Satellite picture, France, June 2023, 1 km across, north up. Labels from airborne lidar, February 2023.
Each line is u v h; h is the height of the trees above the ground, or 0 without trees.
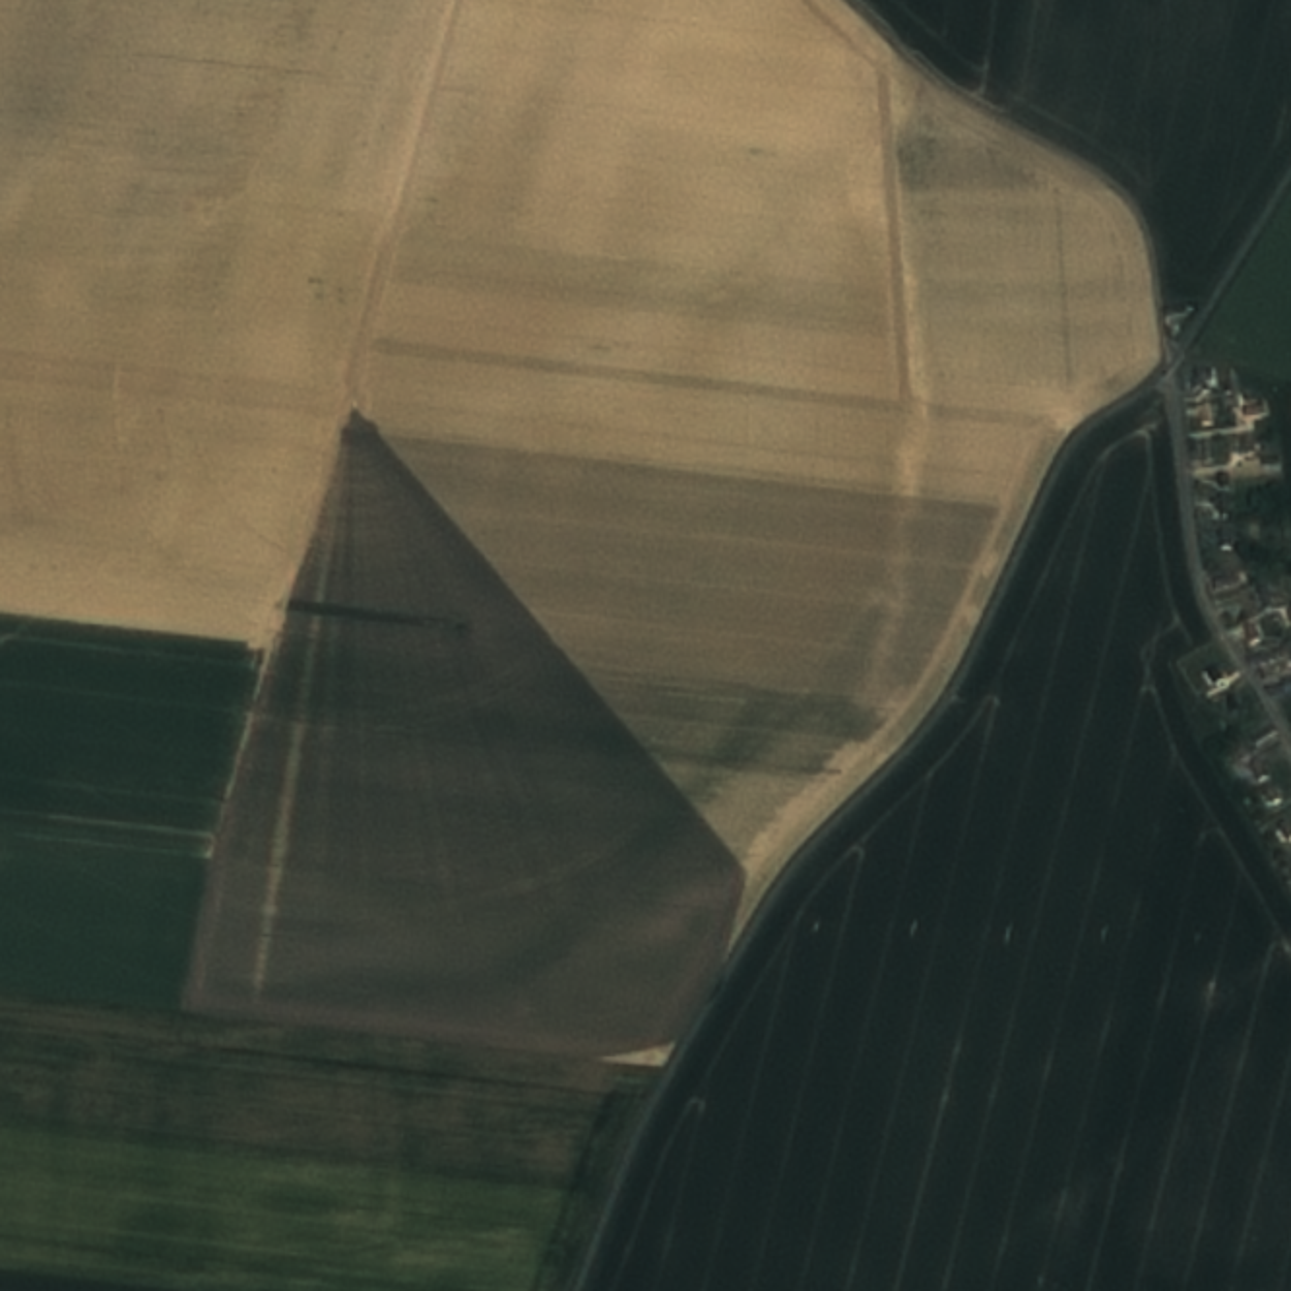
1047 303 0
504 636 0
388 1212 0
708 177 0
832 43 0
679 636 0
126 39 0
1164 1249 0
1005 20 0
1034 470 0
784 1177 0
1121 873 0
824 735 0
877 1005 0
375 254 0
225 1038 0
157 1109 0
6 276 0
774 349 0
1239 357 0
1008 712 0
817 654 0
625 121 0
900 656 0
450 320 0
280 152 0
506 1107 0
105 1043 0
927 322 0
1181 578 0
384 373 0
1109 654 0
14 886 0
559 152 0
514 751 0
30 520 0
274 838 0
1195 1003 0
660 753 0
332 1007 0
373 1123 0
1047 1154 0
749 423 0
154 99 0
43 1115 0
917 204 0
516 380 0
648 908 0
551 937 0
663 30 0
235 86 0
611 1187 0
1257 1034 0
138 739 0
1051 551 0
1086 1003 0
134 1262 0
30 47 0
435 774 0
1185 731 0
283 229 0
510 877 0
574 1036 0
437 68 0
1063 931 0
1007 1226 0
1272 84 0
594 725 0
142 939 0
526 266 0
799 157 0
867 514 0
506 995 0
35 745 0
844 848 0
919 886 0
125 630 0
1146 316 0
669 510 0
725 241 0
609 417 0
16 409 0
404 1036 0
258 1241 0
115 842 0
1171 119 0
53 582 0
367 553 0
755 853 0
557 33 0
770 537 0
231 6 0
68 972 0
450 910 0
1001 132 0
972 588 0
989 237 0
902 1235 0
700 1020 0
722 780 0
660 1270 0
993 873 0
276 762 0
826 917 0
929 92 0
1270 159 0
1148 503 0
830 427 0
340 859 0
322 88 0
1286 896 0
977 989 0
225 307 0
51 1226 0
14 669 0
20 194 0
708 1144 0
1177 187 0
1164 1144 0
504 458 0
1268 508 14
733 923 0
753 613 0
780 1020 0
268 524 0
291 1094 0
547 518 0
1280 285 0
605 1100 0
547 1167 0
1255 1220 0
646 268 0
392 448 0
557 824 0
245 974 0
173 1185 0
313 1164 0
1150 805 0
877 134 0
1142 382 0
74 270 0
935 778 0
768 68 0
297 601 0
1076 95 0
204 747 0
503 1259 0
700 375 0
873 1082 0
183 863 0
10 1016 0
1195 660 0
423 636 0
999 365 0
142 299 0
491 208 0
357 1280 0
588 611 0
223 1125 0
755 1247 0
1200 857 0
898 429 0
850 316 0
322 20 0
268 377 0
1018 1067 0
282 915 0
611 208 0
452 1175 0
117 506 0
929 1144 0
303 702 0
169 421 0
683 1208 0
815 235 0
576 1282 0
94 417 0
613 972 0
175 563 0
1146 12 0
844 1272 0
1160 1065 0
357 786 0
